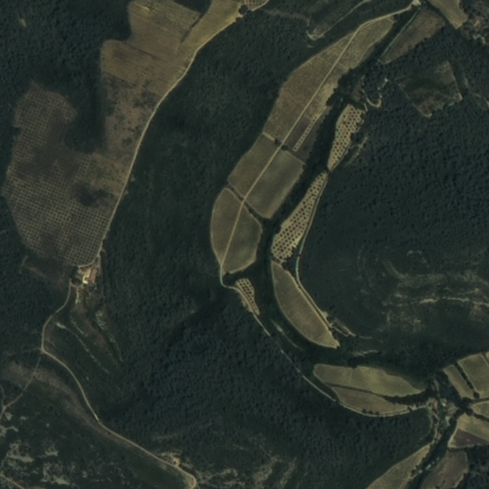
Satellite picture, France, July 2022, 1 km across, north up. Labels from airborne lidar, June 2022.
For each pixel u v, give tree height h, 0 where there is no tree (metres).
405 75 10
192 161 12
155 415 11
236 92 8
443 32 13
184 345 12
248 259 0
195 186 11
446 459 0
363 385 0
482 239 6
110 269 12
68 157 0
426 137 14
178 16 0
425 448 0
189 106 11
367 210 7
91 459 0
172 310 12
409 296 0
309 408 7
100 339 0
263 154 0
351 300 0
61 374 6
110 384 6
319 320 0
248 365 14
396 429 12
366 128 9
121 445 0
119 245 9
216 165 10
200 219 10
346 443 13
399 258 0
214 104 7
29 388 0
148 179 11
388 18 0
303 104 0
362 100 10
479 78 12
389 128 11
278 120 0
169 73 0
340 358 8
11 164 0
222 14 0
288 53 13
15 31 11
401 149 12
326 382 0
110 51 0
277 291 0
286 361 18
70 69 13
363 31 0
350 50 0
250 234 0
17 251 8
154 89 0
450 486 0
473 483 17
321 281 0
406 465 0
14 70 8
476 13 8
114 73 0
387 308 0
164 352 6
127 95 0
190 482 0
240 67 14
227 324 13
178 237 11
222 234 0
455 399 13
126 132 0
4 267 11
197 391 10
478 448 12
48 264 0
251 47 14
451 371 0
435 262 8
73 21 6
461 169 14
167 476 0
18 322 7
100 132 0
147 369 12
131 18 0
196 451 8
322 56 0
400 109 10
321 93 0
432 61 12
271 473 0
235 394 16
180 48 0
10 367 0
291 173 0
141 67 0
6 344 6
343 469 10
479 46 12
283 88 0
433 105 0
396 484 0
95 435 0
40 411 0
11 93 10
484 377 0
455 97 0
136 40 0
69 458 0
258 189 0
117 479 0
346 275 0
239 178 0
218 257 0
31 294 7
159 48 0
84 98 6
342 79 10
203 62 14
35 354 6
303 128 0
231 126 7
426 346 7
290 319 0
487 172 10
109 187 0
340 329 8
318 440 14
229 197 0
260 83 15
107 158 0
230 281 6
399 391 0
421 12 0
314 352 8
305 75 0
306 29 10
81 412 0
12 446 0
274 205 0
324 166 7
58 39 18
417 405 8
